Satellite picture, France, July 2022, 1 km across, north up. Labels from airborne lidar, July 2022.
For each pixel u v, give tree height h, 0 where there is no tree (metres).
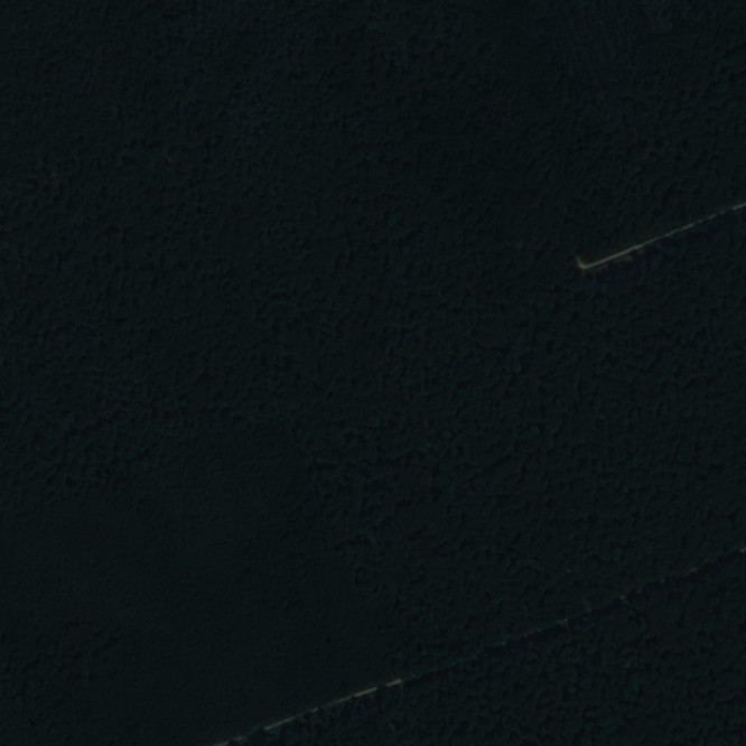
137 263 19
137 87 19
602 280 23
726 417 22
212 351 23
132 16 22
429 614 22
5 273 9
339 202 24
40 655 17
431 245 25
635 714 26
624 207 24
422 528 21
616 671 27
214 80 23
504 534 23
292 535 16
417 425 24
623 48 19
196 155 18
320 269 24
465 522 27
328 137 25
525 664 26
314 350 25
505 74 27
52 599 11
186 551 14
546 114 26
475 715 24
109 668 11
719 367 24
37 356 12
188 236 21
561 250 25
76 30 23
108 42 24
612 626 23
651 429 22
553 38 19
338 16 21
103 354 21
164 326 23
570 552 20
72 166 26
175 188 21
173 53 18
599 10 20
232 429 21
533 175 23
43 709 17
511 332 23
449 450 24
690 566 17
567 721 27
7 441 22
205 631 12
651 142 19
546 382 25
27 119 18
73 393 20
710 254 23
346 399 27
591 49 22
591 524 27
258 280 22
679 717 22
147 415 21
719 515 26
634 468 25
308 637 14
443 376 24
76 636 12
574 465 24
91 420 13
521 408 23
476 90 24
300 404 23
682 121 28
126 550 11
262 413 20
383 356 24
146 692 11
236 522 12
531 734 25
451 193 25
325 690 15
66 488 14
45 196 23
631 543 25
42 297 18
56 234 23
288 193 24
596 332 26
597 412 20
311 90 23
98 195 25
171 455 15
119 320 24
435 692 19
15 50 22
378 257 24
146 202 23
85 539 12
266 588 12
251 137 23
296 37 20
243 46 27
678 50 25
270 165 19
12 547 11
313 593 15
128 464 21
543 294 25
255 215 21
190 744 13
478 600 22
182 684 14
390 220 23
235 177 21
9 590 11
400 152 22
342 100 25
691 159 22
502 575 24
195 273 20
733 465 24
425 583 24
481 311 23
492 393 24
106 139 24
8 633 15
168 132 23
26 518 10
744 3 26
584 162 23
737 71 20
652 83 29
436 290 23
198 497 12
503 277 21
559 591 27
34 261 24
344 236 24
